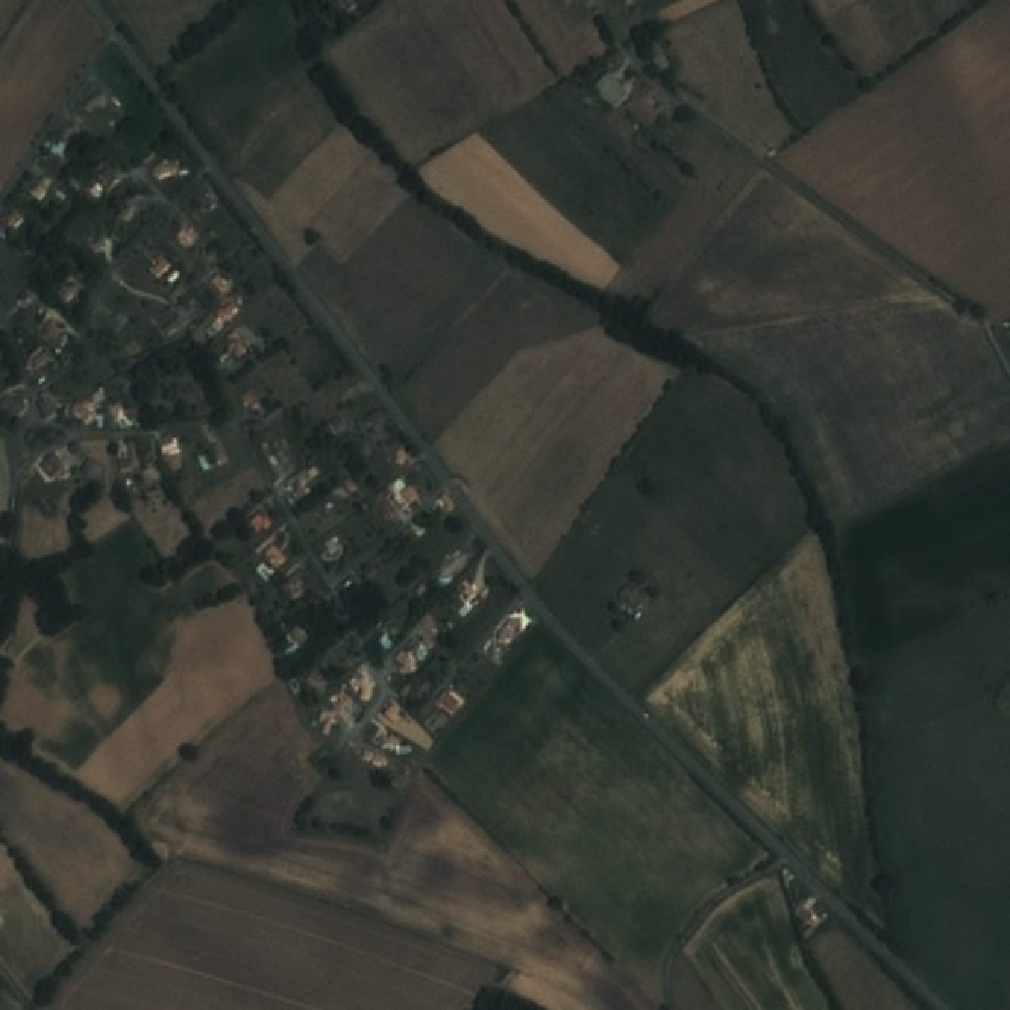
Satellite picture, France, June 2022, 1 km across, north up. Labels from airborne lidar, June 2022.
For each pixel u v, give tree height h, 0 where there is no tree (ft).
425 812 0
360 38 0
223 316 0
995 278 0
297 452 0
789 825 0
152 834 0
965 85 0
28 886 35
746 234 0
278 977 0
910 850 0
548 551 0
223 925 0
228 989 0
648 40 49
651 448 0
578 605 0
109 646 0
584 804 0
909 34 0
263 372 0
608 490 0
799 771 0
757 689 0
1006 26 0
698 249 0
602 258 0
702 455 0
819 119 0
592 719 0
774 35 0
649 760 0
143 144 0
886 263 0
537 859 0
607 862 0
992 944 0
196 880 0
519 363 0
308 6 57
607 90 0
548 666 0
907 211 0
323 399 0
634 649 0
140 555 0
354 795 0
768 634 0
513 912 0
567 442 0
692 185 0
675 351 37
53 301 45
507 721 0
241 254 24
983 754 0
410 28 0
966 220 0
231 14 69
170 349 22
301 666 42
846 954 0
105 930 45
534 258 35
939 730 0
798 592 0
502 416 0
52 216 35
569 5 0
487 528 0
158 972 0
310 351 0
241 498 0
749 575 0
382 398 0
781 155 0
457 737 0
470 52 0
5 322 0
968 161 0
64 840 0
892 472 0
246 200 0
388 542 31
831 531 57
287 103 0
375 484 43
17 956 0
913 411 0
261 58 0
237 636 0
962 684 0
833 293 0
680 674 0
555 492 0
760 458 0
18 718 0
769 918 0
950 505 0
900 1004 0
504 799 0
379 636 25
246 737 0
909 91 0
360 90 0
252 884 0
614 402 0
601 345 0
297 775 0
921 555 0
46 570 68
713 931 0
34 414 0
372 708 0
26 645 0
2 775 0
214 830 0
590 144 0
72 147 36
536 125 0
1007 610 0
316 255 0
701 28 0
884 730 0
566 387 0
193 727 0
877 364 0
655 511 0
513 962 0
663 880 0
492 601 0
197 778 0
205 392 31
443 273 0
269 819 0
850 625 62
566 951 0
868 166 0
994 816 0
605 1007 0
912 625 0
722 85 0
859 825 0
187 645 0
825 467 0
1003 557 0
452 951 0
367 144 47
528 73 0
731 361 0
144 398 53
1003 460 0
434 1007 0
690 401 0
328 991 0
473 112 0
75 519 41
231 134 0
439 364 0
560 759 0
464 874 0
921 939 0
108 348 21
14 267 0
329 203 0
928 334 0
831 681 0
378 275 0
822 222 0
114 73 0
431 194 53
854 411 0
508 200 0
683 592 0
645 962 0
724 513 0
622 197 0
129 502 46
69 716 0
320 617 49
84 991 0
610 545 0
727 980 0
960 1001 0
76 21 0
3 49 0
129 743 0
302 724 0
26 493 0
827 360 0
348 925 0
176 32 0
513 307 0
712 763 0
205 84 0
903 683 0
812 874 0
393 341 0
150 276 0
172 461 0
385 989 0
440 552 0
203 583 0
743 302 0
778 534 0
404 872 0
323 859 0
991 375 0
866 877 0
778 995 0
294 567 0
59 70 0
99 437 0
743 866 0
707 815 0
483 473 0
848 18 0
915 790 0
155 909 0
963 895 0
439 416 0
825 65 0
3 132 0
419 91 0
